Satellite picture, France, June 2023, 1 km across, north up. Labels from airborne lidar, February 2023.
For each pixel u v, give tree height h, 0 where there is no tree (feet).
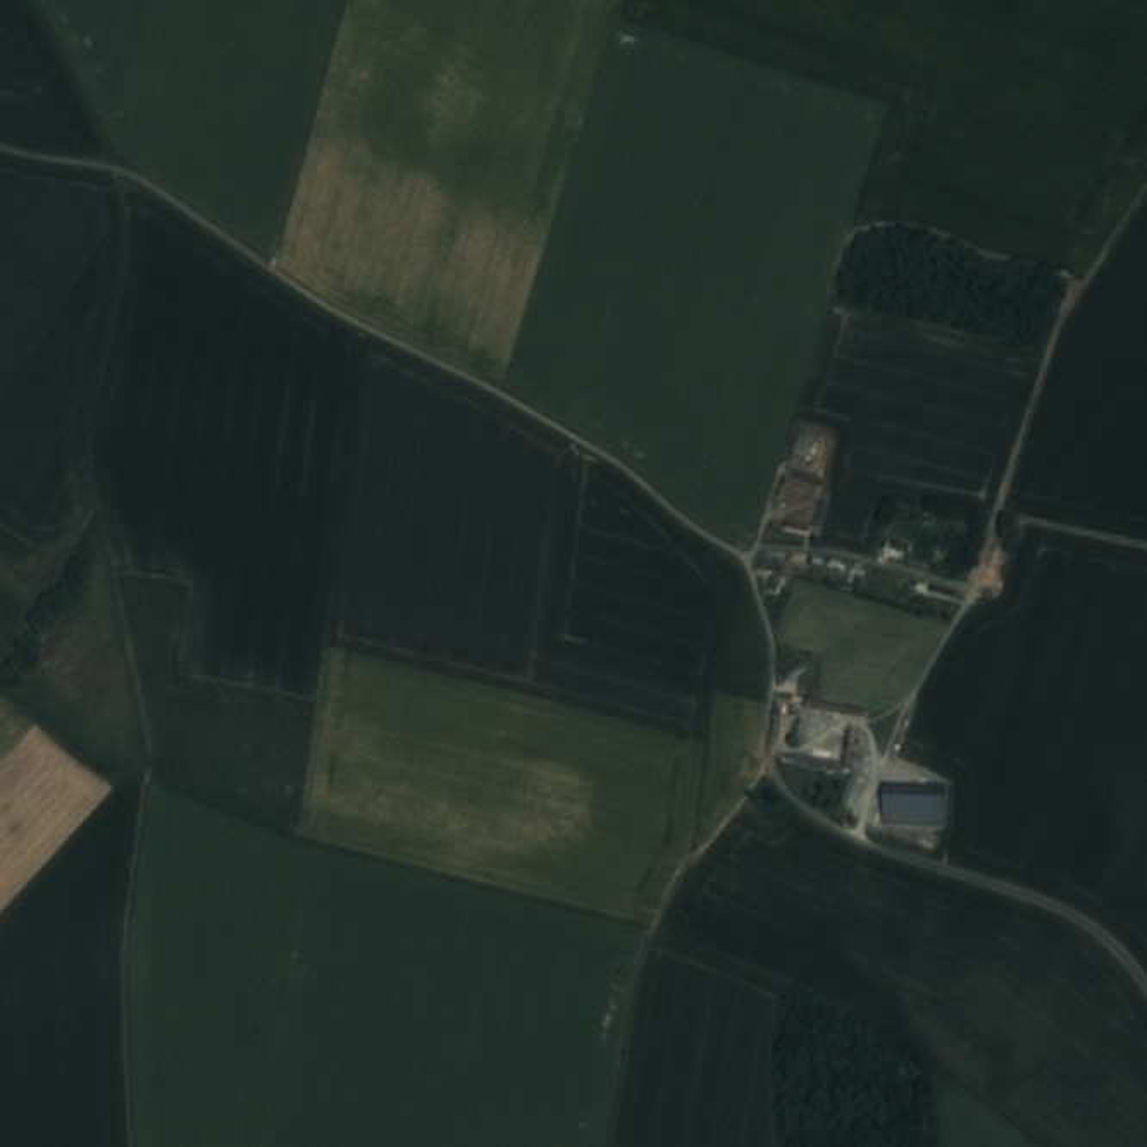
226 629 0
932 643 0
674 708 0
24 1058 0
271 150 0
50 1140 0
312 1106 0
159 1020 0
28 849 0
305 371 0
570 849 0
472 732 0
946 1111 0
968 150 0
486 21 0
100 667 0
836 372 0
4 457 0
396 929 0
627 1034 0
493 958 0
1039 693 0
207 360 0
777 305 0
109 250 0
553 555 0
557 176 0
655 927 0
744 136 0
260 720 0
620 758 0
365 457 0
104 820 0
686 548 0
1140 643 0
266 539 0
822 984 0
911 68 0
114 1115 0
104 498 0
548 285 0
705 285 0
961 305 51
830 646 0
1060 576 0
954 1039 0
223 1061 0
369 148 0
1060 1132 0
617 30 0
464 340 0
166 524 0
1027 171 0
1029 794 0
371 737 0
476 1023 0
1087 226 0
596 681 0
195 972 0
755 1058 0
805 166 0
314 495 0
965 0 0
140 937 0
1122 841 0
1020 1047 0
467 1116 0
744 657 0
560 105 0
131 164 0
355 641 0
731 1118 0
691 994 0
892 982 0
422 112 0
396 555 0
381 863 0
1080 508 0
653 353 0
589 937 0
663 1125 0
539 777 0
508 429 0
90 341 0
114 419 0
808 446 0
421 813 0
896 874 0
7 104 0
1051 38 0
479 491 0
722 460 0
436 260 0
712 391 0
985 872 0
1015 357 0
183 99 0
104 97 0
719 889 0
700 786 0
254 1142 0
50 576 0
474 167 0
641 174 0
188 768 0
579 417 0
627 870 0
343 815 0
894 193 0
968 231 0
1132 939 0
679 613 0
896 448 0
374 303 0
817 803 32
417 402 0
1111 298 0
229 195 0
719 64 0
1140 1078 0
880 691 0
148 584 0
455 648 0
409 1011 0
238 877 0
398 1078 0
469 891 0
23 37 0
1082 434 0
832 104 0
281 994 0
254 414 0
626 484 0
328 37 0
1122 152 0
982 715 0
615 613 0
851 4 0
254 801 0
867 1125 55
